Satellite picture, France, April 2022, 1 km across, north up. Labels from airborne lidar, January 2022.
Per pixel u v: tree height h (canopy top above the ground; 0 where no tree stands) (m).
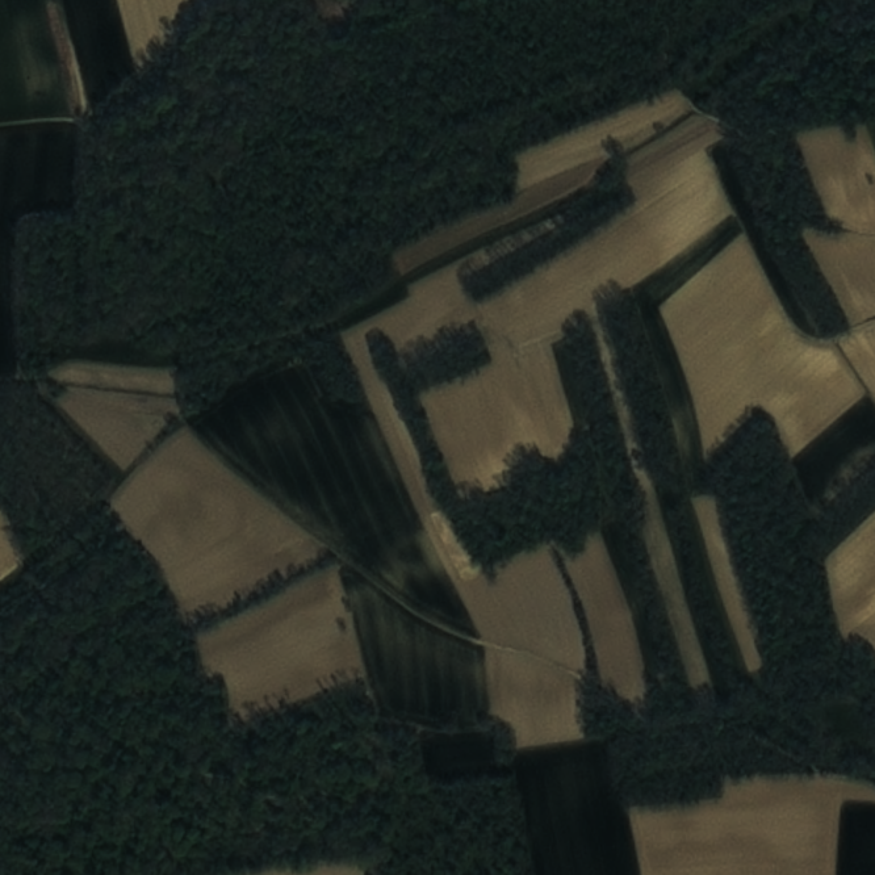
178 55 26
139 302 36
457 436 0
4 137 0
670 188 0
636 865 0
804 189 26
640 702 0
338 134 29
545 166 0
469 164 31
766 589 24
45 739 27
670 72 24
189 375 27
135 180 21
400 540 0
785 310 0
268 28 32
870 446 0
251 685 0
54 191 0
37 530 23
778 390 0
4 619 25
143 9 0
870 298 0
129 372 0
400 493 0
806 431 0
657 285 0
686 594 0
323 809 29
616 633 0
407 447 0
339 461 0
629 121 0
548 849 0
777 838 0
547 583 0
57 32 0
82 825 27
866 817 0
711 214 0
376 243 31
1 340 0
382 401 0
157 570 24
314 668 0
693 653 0
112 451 0
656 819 0
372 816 28
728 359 0
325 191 29
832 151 0
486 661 0
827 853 0
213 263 28
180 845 28
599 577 0
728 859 0
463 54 22
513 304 0
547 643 0
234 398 0
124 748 16
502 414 0
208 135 30
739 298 0
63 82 0
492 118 25
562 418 0
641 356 26
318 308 21
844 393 0
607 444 26
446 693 0
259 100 37
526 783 0
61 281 25
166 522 0
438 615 0
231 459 0
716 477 25
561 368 0
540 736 0
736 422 0
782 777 19
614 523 0
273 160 25
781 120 26
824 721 28
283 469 0
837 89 25
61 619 35
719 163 0
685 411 0
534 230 0
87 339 28
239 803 28
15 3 0
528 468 23
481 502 29
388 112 28
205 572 0
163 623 32
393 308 0
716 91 23
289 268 29
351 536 0
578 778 0
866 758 26
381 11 34
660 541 0
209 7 28
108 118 25
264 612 0
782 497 28
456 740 0
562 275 0
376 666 0
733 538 20
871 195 0
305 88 28
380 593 0
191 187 28
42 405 16
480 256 0
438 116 26
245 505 0
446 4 29
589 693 21
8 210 0
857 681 27
